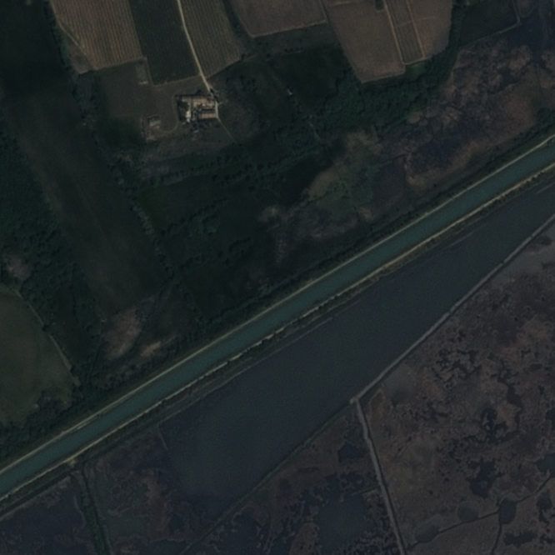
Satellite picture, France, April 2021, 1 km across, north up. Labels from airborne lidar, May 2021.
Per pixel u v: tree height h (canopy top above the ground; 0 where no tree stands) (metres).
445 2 0
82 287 10
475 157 0
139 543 0
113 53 0
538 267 0
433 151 0
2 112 10
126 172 7
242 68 0
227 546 0
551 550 0
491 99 0
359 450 0
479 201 0
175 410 0
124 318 0
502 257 0
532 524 0
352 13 0
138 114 0
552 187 0
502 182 0
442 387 0
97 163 0
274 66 0
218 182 10
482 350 0
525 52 0
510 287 0
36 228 15
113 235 0
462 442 0
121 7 0
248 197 0
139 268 0
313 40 0
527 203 0
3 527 0
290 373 0
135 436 6
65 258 14
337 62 0
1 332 0
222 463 0
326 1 0
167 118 0
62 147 0
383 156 0
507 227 0
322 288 0
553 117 6
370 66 0
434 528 0
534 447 0
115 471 0
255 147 0
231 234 0
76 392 7
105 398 9
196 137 0
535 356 0
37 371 0
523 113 0
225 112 0
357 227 0
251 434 0
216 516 0
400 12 0
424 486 0
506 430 0
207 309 0
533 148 0
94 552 0
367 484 0
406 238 0
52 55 0
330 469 0
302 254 0
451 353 0
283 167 8
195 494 0
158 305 5
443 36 0
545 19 0
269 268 0
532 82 0
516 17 0
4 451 9
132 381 7
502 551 0
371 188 0
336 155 0
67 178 0
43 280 14
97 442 0
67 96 0
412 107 10
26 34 0
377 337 0
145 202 0
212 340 8
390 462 0
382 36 0
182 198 0
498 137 0
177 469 0
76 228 0
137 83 0
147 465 0
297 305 0
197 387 7
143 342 0
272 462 0
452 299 0
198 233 11
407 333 0
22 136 0
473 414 0
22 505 0
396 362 0
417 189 0
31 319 0
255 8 0
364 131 0
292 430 0
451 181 0
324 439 0
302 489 0
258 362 0
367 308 0
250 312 10
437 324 0
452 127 0
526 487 0
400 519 0
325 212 0
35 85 0
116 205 0
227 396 0
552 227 0
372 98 13
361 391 0
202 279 0
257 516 0
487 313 0
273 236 0
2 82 0
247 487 0
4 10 0
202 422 0
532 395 0
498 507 0
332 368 0
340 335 0
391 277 0
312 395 0
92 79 7
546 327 0
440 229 0
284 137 13
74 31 0
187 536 0
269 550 0
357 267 0
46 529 0
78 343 0
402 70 0
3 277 14
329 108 11
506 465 0
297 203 0
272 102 0
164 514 0
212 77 0
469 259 0
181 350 9
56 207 0
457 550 0
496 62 0
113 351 0
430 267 0
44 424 7
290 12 0
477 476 0
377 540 0
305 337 0
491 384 0
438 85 9
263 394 0
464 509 0
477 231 0
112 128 0
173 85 0
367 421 0
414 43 0
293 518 0
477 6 0
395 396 0
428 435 0
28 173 16
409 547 0
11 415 0
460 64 0
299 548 0
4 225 14
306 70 0
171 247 0
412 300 0
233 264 6
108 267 0
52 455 0
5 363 0
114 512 0
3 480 0
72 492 0
